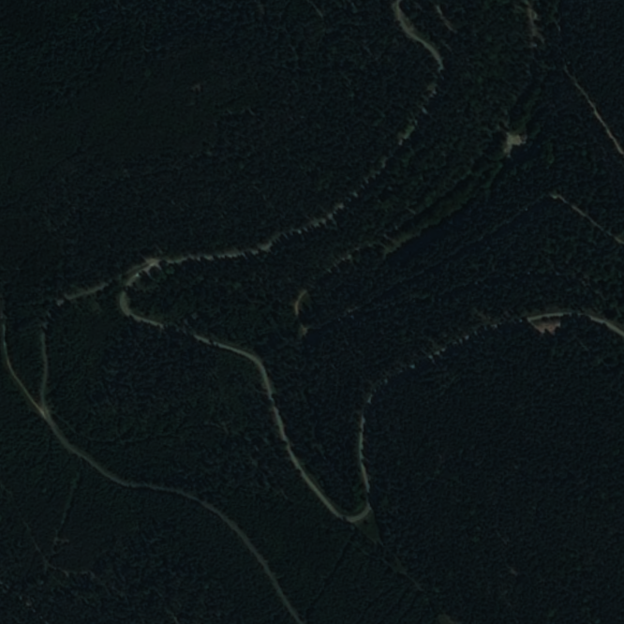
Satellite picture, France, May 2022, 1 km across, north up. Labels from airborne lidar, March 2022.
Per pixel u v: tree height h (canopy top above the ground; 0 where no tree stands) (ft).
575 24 93
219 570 57
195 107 41
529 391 84
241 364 25
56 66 51
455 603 66
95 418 38
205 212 69
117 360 32
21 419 28
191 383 83
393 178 71
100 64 68
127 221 81
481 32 80
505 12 74
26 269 30
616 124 78
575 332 89
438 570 71
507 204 71
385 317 75
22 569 32
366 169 73
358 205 79
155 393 100
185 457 20
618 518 75
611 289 97
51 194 84
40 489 52
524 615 72
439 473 67
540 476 72
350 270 100
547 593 67
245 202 72
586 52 71
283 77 75
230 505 56
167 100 43
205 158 72
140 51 54
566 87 85
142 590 66
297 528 63
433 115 85
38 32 50
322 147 89
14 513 36
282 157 78
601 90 69
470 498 72
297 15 57
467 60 94
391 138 87
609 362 65
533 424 85
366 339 85
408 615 45
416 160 92
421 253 95
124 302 0
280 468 89
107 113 51
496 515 69
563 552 84
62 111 60
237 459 78
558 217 85
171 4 85
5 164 56
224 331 35
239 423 48
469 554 66
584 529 68
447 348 0
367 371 72
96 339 21
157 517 49
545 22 55
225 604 89
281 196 75
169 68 41
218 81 43
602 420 80
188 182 74
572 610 80
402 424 76
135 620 77
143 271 0
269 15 37
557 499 73
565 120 91
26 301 62
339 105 75
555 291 92
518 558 65
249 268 85
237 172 62
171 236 77
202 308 39
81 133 71
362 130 83
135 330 92
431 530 76
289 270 67
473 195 62
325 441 93
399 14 0
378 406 74
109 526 26
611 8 71
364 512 0
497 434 77
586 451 82
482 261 83
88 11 35
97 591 79
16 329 92
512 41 72
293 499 58
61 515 26
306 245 82
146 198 81
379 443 73
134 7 89
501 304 82
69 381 33
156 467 38
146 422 32
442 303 82
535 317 0
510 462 79
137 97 58
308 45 85
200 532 57
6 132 47
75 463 33
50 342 47
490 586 57
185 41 77
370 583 44
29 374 25
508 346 80
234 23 75
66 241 60
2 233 31
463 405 75
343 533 65
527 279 91
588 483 82
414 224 76
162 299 25
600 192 94
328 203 71
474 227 72
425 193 80
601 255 85
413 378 83
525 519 67
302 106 73
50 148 73
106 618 81
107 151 54
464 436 75
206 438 23
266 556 63
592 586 80
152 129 56
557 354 69
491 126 86
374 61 95
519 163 79
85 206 81
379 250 57
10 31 41
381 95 92
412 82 88
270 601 64
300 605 70
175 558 34
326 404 85
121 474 29
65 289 96
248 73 65
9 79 41
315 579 58
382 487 85
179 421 20
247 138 83
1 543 48
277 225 68
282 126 80
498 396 79
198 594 86
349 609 51
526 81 84
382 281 81
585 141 103
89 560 22
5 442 26
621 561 72
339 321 48
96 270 80
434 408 82
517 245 85
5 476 31
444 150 63
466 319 85
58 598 84
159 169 58
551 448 82
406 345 88
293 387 81
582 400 69
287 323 35
